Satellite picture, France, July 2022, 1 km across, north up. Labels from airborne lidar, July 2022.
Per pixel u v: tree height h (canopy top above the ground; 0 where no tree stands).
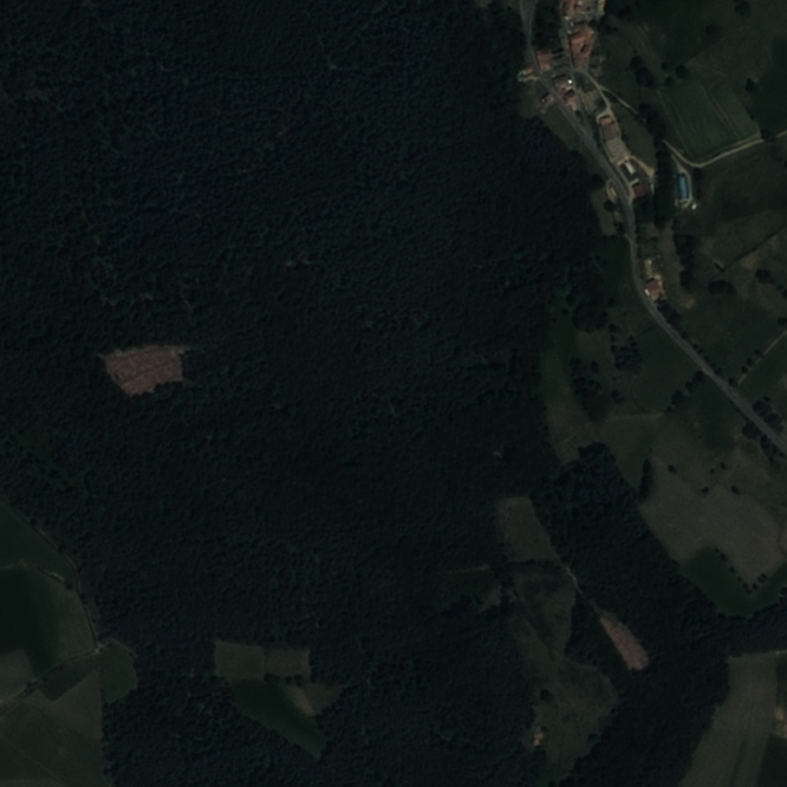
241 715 17
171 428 12
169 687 14
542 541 0
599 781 24
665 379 0
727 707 0
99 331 19
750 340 0
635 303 0
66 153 13
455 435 21
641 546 27
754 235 0
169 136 23
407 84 12
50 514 16
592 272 18
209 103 20
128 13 20
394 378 18
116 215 16
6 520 0
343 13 14
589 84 0
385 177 24
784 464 0
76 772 0
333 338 20
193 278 6
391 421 13
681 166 0
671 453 0
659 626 25
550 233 21
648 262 0
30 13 18
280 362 17
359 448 21
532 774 13
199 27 11
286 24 13
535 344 24
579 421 0
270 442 18
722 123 0
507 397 27
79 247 16
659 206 12
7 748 0
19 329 15
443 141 19
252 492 17
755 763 0
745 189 0
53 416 15
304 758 18
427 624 27
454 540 24
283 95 25
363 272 17
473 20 18
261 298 15
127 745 14
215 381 16
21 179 13
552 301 20
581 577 20
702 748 0
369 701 14
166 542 17
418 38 23
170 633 18
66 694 0
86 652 0
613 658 17
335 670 16
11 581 0
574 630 14
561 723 0
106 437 19
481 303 23
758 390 0
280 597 13
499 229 23
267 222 8
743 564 0
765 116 0
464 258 20
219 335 15
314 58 13
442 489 19
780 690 0
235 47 14
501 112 27
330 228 21
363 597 18
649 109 16
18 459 14
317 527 16
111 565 14
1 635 0
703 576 0
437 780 21
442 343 30
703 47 0
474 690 17
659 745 24
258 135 18
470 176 24
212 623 19
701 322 0
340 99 25
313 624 13
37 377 17
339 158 13
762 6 0
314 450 23
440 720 9
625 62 0
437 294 16
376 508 22
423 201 27
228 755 18
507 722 20
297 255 15
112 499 16
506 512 0
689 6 0
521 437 28
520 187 21
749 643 19
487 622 24
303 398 23
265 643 12
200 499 15
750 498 0
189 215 16
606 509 28
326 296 15
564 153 25
